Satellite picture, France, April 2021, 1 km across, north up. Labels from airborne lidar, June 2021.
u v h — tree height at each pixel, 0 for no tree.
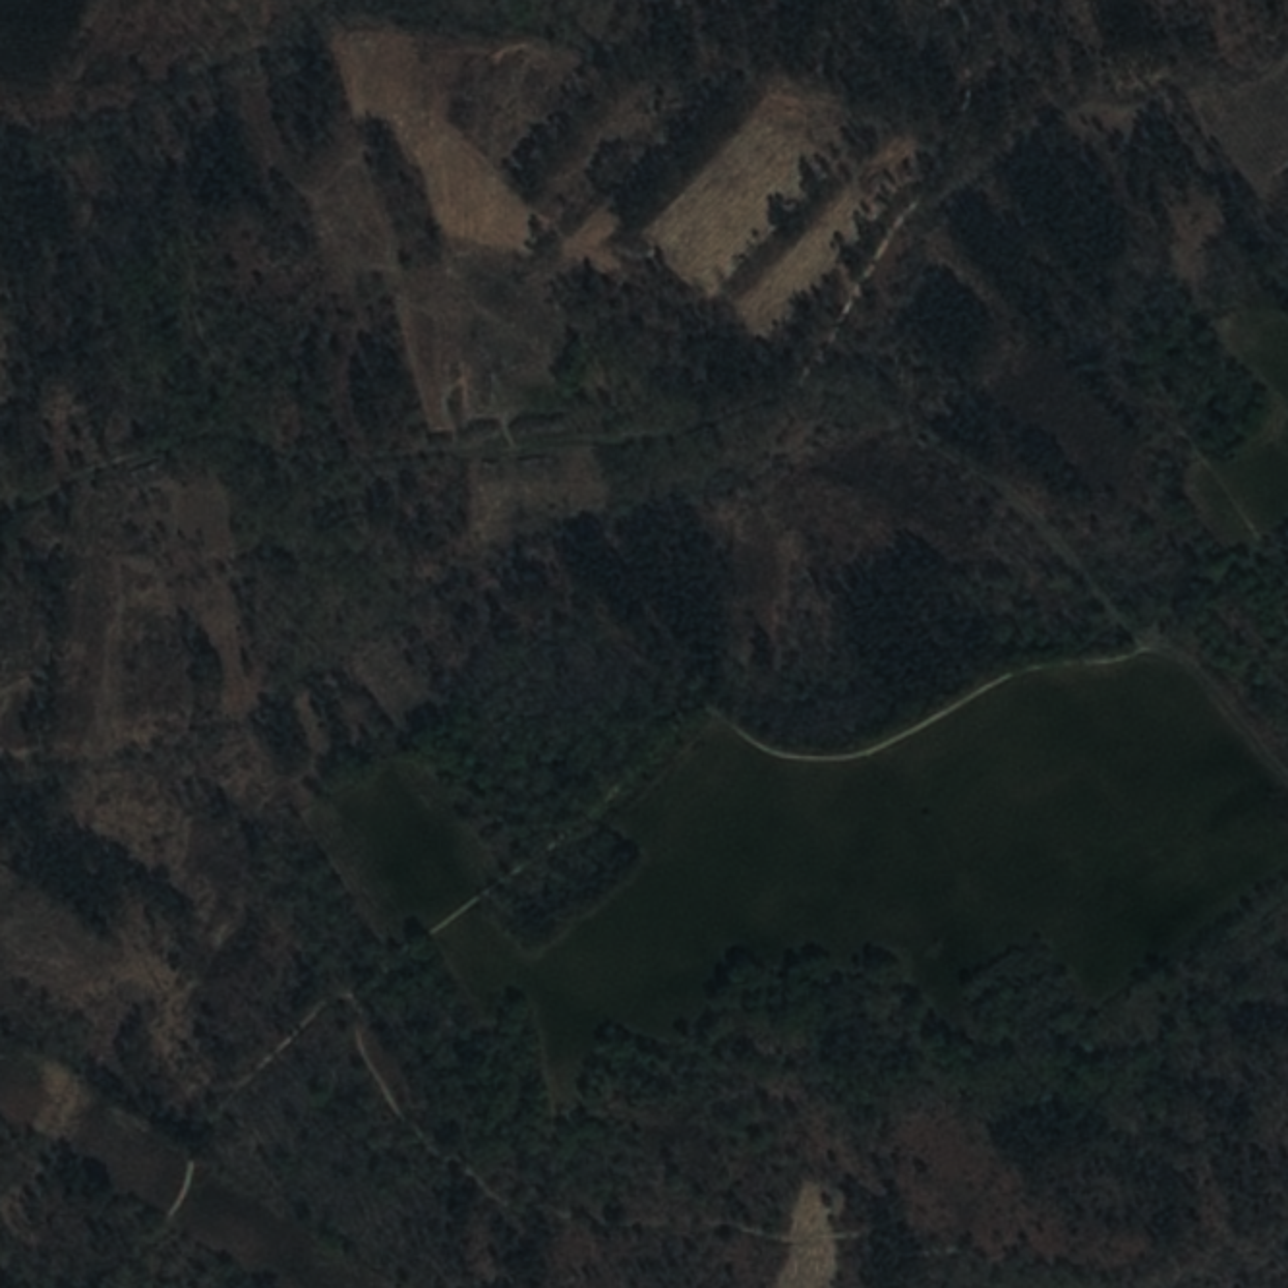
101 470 0
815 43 26
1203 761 0
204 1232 0
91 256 8
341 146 16
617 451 8
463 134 0
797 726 12
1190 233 0
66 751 0
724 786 0
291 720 20
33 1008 6
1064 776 0
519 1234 7
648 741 19
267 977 12
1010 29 14
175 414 15
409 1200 6
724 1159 14
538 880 13
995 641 22
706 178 0
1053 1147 25
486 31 9
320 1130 13
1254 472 0
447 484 10
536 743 17
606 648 16
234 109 14
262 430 16
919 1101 17
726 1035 20
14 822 22
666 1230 7
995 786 0
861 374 23
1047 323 21
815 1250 0
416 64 0
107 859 20
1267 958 7
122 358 16
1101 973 0
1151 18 6
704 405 21
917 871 0
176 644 8
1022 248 18
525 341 0
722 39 19
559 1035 0
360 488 15
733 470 7
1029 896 0
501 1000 0
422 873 0
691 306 9
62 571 19
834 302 17
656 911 0
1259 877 0
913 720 7
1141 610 19
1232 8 12
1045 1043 17
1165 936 0
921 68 21
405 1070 9
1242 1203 22
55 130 12
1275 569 13
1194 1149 6
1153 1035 10
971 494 10
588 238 0
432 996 12
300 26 17
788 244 7
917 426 9
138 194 14
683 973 0
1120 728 0
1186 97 16
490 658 12
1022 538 11
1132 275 11
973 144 20
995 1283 17
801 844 0
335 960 13
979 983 13
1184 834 0
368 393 18
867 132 10
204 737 22
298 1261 0
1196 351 11
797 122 0
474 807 12
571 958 0
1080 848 0
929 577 24
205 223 10
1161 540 11
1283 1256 7
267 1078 8
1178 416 8
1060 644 16
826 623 7
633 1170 17
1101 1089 17
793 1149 7
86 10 10
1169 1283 17
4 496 14
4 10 9
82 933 0
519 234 0
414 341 0
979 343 22
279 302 7
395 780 0
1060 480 21
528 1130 19
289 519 19
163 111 14
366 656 0
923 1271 25
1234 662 17
